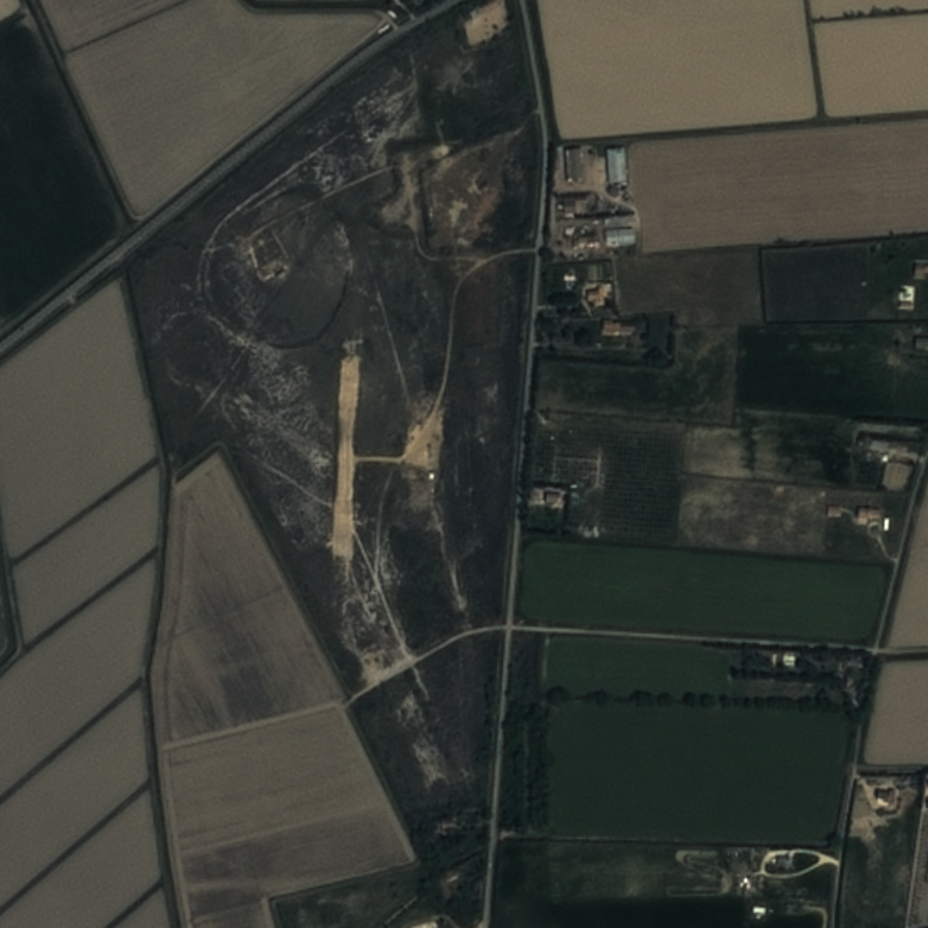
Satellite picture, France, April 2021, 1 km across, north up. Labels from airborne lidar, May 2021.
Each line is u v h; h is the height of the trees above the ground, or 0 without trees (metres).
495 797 0
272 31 0
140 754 0
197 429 0
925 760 0
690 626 0
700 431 0
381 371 0
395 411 0
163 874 0
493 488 0
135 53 0
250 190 0
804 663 11
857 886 0
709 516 0
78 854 0
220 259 0
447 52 0
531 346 0
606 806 0
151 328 0
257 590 0
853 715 14
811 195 0
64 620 0
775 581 0
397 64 0
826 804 0
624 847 0
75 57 0
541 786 12
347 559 0
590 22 0
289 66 0
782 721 0
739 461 0
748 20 0
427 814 7
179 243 0
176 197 0
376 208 0
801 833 0
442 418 0
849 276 0
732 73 0
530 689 6
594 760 0
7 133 0
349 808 0
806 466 0
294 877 0
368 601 0
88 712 0
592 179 0
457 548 0
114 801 0
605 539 0
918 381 0
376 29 0
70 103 0
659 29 0
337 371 0
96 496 0
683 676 0
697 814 0
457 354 0
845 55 0
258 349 0
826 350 0
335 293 0
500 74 0
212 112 0
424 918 0
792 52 0
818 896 0
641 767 0
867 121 0
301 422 0
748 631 0
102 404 0
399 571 0
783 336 0
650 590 0
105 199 0
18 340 0
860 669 13
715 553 0
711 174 0
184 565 0
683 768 0
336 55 0
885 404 0
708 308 0
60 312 0
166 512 0
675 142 0
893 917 0
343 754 0
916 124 0
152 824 0
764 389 0
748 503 0
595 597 0
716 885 0
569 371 0
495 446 0
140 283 0
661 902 0
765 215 0
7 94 0
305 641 0
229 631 0
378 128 0
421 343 0
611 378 0
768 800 0
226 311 0
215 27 0
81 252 0
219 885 0
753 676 11
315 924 0
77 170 0
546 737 9
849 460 0
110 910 0
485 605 0
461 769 0
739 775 0
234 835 0
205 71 0
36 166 0
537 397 13
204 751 0
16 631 0
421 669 0
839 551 0
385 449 0
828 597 0
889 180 0
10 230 0
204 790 0
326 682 0
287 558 0
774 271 0
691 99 0
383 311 0
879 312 0
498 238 6
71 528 0
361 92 0
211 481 0
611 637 0
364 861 0
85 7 0
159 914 0
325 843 0
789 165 0
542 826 17
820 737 0
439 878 7
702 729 0
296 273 0
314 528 0
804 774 0
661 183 0
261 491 0
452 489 0
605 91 0
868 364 0
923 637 0
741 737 0
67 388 0
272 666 0
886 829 0
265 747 0
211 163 0
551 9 0
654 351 10
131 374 0
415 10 6
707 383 0
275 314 0
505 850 0
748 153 0
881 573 0
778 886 0
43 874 0
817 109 0
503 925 0
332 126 0
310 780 0
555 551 0
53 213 0
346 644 0
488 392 0
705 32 0
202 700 0
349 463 0
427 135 0
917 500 0
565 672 0
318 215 0
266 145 0
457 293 0
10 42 0
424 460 0
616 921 0
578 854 0
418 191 0
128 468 0
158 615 0
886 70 0
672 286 0
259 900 0
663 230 0
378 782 0
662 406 0
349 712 0
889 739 0
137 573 0
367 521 0
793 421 0
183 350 0
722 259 0
